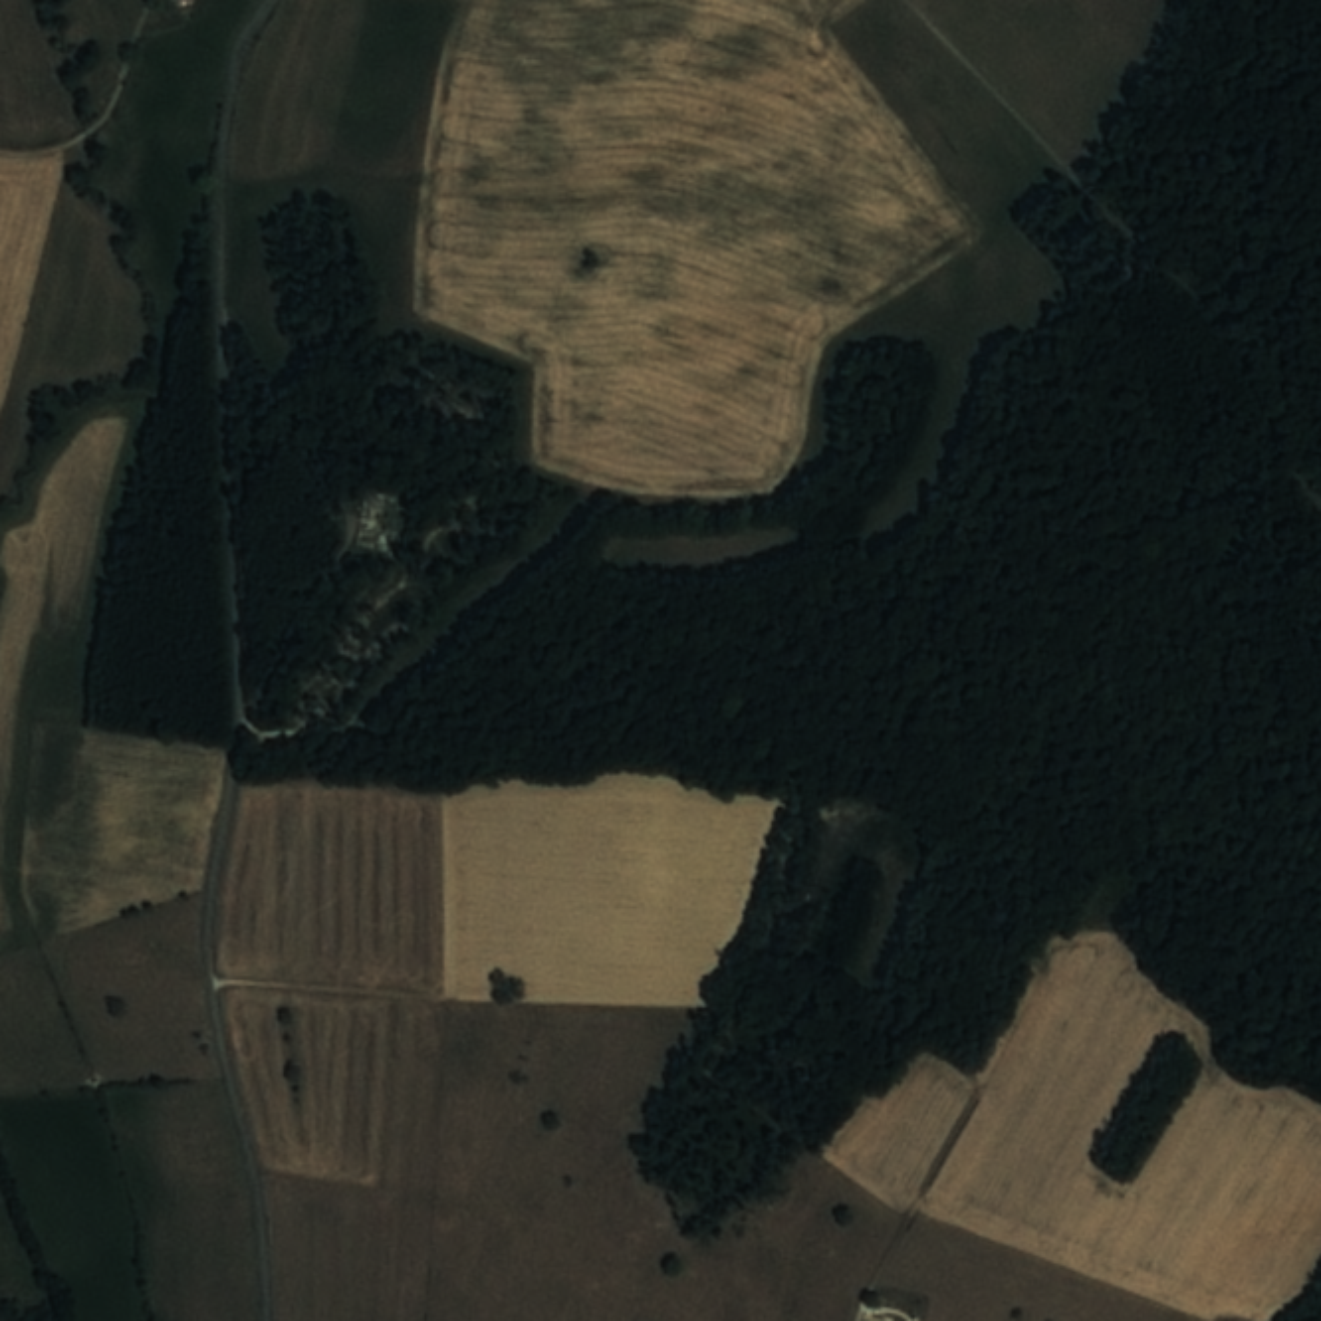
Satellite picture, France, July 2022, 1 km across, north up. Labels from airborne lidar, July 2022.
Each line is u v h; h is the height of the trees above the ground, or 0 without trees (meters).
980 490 25
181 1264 0
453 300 0
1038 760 14
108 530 0
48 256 0
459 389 25
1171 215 18
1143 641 22
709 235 0
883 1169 0
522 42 0
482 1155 0
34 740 0
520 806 0
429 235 0
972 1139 0
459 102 0
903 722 9
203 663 20
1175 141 29
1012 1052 0
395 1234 0
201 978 0
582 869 0
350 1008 0
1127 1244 0
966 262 0
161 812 0
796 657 24
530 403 0
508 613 25
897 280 0
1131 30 0
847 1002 25
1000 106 0
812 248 0
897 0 0
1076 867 18
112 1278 0
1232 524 26
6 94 0
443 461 26
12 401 0
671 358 0
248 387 19
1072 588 28
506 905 0
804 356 0
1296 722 26
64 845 0
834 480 25
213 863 0
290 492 18
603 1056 0
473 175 0
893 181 0
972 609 23
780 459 0
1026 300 0
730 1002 21
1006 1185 0
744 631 21
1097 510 23
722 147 0
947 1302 0
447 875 0
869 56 0
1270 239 16
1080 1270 0
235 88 0
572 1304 0
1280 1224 0
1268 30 26
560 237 0
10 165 0
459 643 16
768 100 0
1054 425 21
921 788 19
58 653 0
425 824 0
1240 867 14
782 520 23
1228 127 27
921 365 24
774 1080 18
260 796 0
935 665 26
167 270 0
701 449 0
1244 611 25
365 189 0
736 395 0
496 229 0
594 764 20
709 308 0
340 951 0
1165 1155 0
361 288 27
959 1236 0
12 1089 0
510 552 21
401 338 9
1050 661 21
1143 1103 22
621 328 0
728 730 20
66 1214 0
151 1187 0
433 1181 0
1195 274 22
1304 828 21
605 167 0
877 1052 24
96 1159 0
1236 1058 25
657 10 0
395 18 0
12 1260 0
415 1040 0
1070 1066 0
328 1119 0
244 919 0
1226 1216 0
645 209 0
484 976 0
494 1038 0
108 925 0
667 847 0
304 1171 0
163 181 0
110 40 0
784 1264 0
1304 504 17
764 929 16
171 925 0
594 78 0
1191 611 15
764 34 0
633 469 0
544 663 22
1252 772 20
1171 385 18
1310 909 21
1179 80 28
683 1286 0
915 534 25
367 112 0
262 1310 0
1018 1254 0
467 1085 0
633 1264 0
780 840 16
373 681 20
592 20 0
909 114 0
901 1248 0
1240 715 23
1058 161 0
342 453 9
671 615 26
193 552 19
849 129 0
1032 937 23
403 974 0
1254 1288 0
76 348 0
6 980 0
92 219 0
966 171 0
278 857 0
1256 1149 0
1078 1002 0
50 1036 0
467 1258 0
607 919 0
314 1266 0
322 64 0
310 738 20
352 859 0
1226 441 28
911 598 27
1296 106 26
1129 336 16
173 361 19
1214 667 17
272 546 17
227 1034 0
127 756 0
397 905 0
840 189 0
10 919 0
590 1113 0
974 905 25
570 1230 0
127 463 0
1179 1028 0
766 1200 14
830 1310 0
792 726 17
